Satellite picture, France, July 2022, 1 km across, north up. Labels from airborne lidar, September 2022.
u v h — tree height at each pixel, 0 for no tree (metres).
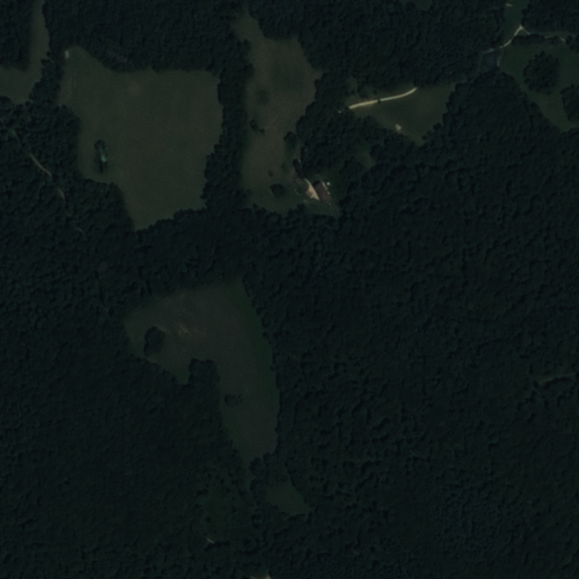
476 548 18
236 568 18
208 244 28
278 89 0
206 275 23
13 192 26
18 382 24
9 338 24
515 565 25
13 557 16
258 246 34
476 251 17
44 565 25
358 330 30
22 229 25
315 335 27
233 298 0
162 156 0
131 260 27
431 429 25
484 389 31
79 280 23
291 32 25
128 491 21
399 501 25
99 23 18
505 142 21
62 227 20
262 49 0
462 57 25
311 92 0
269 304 24
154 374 26
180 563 22
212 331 0
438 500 21
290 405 26
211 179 23
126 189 0
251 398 0
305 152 25
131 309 22
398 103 0
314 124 25
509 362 30
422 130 0
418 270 10
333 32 26
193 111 0
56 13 20
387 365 25
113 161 0
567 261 24
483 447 24
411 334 30
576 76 0
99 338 28
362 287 27
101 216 27
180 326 0
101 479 22
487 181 26
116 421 23
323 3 6
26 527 25
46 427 28
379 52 25
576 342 19
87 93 0
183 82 0
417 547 20
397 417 25
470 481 20
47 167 20
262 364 0
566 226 24
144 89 0
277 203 0
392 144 24
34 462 23
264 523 28
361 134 16
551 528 21
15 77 0
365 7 26
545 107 0
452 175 27
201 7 30
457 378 27
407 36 13
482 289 26
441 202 27
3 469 17
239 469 29
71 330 21
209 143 0
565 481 24
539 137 21
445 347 31
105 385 27
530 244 20
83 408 25
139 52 23
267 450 0
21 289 23
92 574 24
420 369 34
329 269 26
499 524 15
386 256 12
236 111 20
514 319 26
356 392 27
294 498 0
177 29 26
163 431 21
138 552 22
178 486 22
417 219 38
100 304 8
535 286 26
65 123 22
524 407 26
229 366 0
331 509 28
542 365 26
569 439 26
